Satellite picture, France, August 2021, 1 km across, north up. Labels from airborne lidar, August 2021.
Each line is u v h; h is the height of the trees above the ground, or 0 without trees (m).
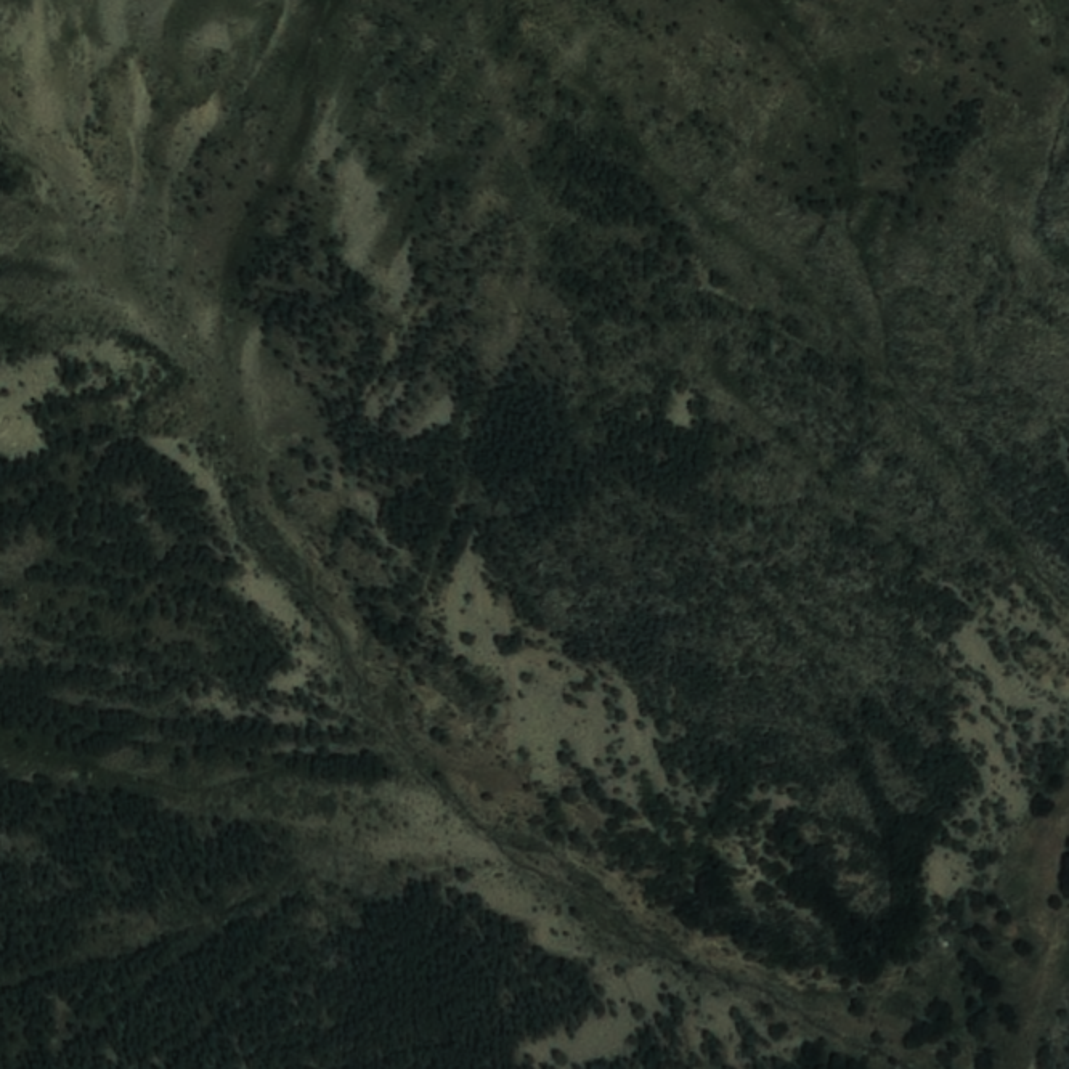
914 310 0
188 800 0
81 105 0
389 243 0
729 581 13
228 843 19
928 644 7
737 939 22
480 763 0
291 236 10
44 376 0
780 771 8
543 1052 0
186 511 9
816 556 7
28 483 17
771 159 0
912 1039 12
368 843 0
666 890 8
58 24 0
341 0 0
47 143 0
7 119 0
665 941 0
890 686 9
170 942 17
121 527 18
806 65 0
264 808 0
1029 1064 0
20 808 16
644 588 10
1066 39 0
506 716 0
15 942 19
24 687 16
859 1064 15
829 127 0
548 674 0
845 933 19
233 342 0
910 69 0
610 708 16
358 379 14
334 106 0
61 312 0
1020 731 15
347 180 0
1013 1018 13
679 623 13
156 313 0
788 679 7
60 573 14
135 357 0
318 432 0
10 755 0
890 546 8
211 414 0
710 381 0
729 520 8
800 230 0
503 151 0
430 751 0
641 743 0
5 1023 17
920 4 0
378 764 16
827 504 7
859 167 0
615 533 7
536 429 16
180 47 0
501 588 11
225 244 0
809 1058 16
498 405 9
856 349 0
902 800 7
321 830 0
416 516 9
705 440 16
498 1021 19
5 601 16
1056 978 0
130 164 0
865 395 8
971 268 11
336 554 8
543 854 0
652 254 11
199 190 7
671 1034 15
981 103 10
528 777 0
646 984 0
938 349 0
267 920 7
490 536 9
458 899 10
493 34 0
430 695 0
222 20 0
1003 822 8
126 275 0
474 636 6
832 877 11
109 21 0
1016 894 0
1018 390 7
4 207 0
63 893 12
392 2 0
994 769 10
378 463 14
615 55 0
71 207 0
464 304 12
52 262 0
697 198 0
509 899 0
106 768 0
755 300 0
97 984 13
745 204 7
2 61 0
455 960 17
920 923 16
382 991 23
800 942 7
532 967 10
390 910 23
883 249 0
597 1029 0
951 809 10
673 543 12
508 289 0
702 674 11
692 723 10
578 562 11
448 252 8
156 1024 11
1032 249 0
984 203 0
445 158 0
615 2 8
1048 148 0
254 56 0
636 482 17
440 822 0
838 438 8
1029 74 0
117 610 18
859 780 6
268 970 7
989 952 12
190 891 11
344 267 12
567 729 0
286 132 0
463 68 0
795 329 13
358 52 0
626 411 13
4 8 0
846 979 12
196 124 0
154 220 0
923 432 9
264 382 0
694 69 0
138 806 21
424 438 12
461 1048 22
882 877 6
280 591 0
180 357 0
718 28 0
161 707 14
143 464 17
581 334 10
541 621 6
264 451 0
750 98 0
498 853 0
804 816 15
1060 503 9
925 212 9
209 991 16
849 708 6
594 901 0
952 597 12
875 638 6
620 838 6
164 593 17
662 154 0
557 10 0
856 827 8
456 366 10
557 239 6
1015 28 0
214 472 0
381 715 0
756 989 0
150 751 17
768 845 9
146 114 0
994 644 8
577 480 18
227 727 17
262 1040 11
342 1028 13
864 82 0
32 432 0
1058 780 16
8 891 12
